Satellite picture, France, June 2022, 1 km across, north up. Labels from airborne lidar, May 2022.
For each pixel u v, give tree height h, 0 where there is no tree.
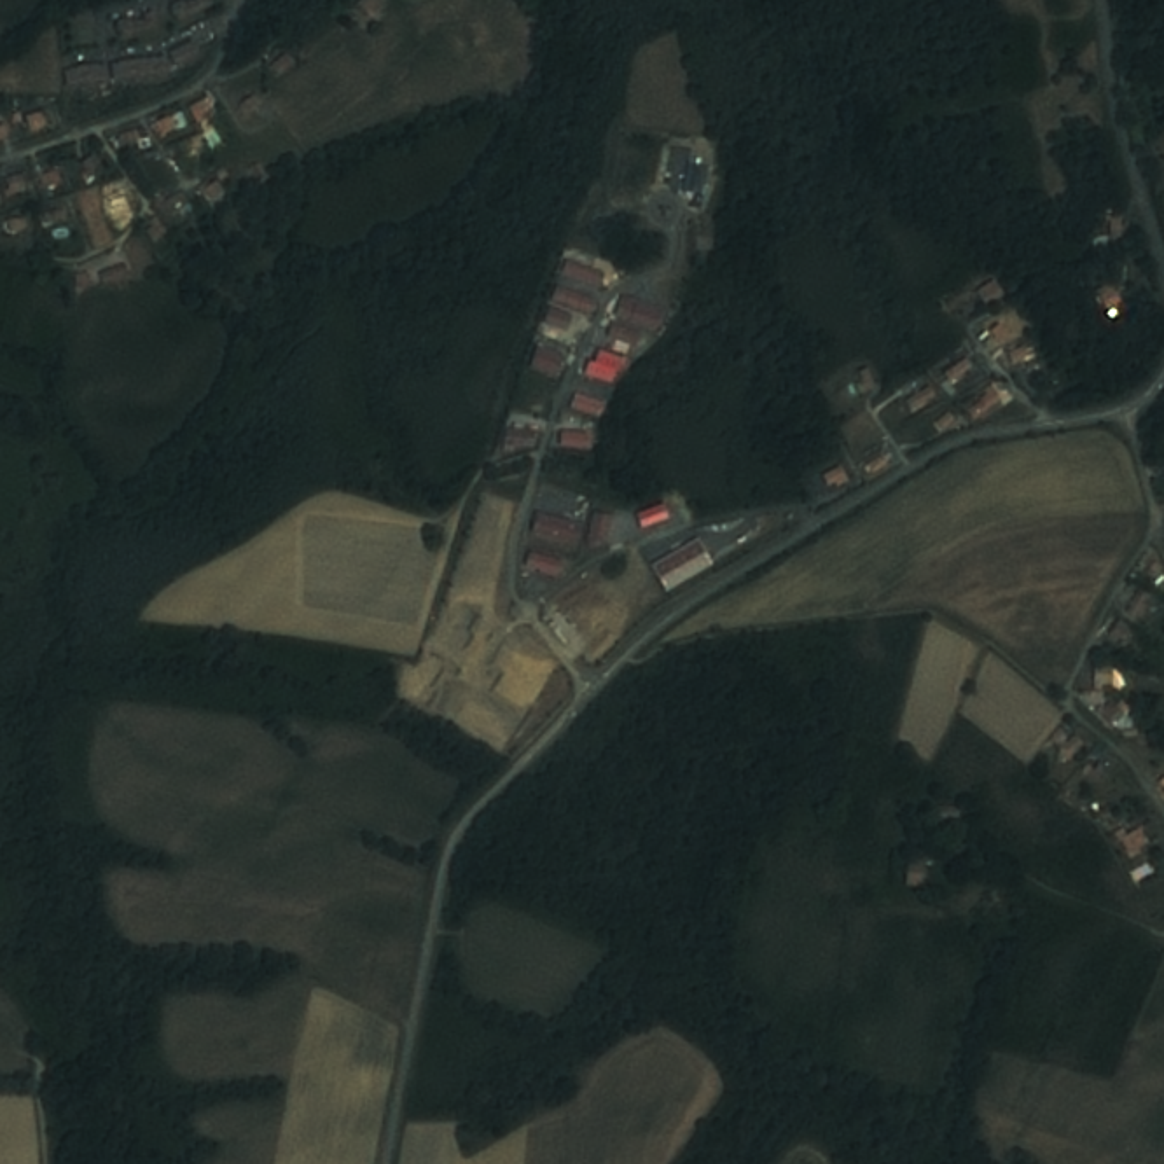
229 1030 0
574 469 12
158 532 7
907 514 0
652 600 0
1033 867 0
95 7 16
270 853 0
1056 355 12
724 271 14
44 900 9
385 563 0
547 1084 18
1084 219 16
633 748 9
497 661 0
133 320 0
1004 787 0
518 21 0
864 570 0
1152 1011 0
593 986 12
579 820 10
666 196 0
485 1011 7
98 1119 16
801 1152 0
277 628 0
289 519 0
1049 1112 0
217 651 13
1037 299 21
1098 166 13
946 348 0
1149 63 19
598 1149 0
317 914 0
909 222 12
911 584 0
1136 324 16
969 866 18
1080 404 14
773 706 12
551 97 20
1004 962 20
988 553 0
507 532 0
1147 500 0
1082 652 0
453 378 0
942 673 0
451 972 14
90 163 0
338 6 20
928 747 0
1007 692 0
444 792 0
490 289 7
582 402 0
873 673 0
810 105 15
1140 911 0
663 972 10
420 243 10
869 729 0
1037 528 0
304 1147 0
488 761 12
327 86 0
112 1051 15
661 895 12
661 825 14
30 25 13
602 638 0
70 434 9
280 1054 0
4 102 14
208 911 0
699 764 7
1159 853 15
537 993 0
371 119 0
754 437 13
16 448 0
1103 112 0
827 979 0
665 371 17
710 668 12
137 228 11
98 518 7
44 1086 13
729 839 24
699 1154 7
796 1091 18
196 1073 0
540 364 0
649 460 6
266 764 0
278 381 9
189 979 18
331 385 0
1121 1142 0
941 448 0
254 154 0
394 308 8
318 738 0
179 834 0
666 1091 0
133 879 0
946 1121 8
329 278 13
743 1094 9
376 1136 0
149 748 0
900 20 7
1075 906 0
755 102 9
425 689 0
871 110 18
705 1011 9
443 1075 0
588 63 7
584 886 14
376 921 0
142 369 0
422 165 0
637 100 0
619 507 0
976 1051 23
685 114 0
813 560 0
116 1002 8
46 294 0
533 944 0
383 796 0
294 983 0
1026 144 0
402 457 7
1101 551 0
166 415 0
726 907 11
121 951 14
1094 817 6
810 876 0
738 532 0
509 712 0
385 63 0
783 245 11
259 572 0
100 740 0
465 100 7
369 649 0
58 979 13
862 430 0
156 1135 0
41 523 0
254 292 18
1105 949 0
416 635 0
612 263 11
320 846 0
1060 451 0
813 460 11
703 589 0
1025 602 0
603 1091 0
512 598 0
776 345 16
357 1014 0
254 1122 0
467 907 9
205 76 0
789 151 22
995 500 0
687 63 10
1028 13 0
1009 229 16
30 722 14
